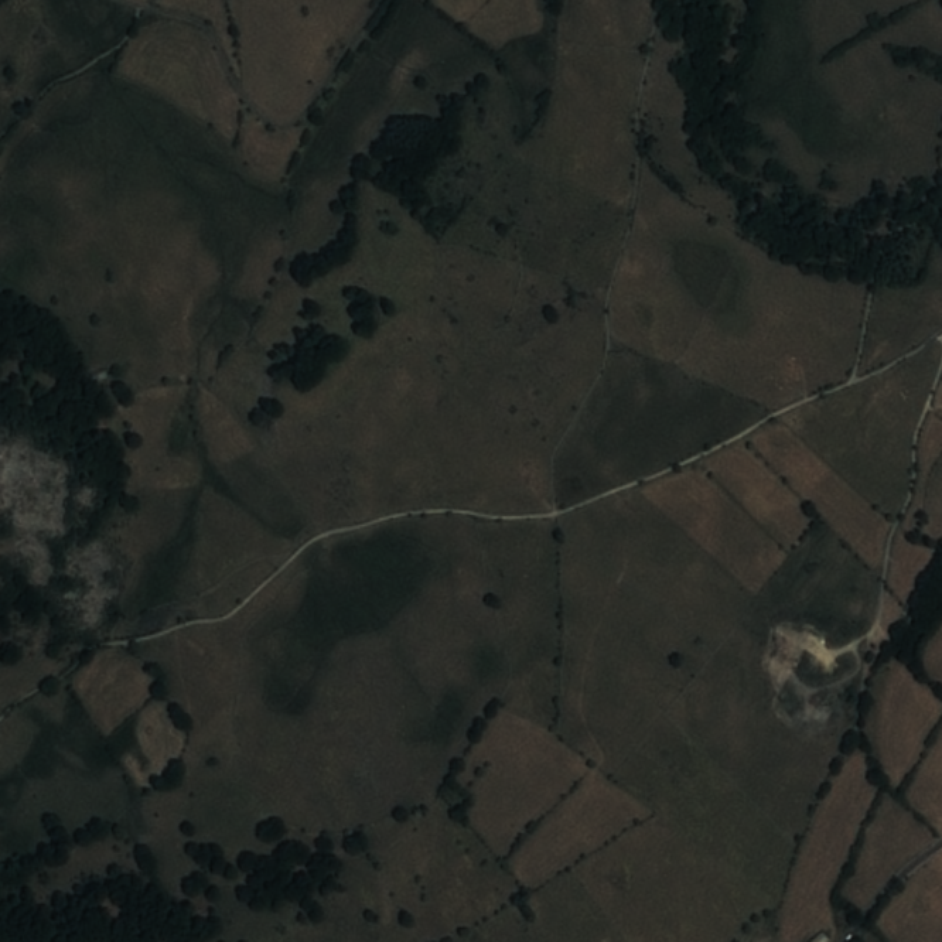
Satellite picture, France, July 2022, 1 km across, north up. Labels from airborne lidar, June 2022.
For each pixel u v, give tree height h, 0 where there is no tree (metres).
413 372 0
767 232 20
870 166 0
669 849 0
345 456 0
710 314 0
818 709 0
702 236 0
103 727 0
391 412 0
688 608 0
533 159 0
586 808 0
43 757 0
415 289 0
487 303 0
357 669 0
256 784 0
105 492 7
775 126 0
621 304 0
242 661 0
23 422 9
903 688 0
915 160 0
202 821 0
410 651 0
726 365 0
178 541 0
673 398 0
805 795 0
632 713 0
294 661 0
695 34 20
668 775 0
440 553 0
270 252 0
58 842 16
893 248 13
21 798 0
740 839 0
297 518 0
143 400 0
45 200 0
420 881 7
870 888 0
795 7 0
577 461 0
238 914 0
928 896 0
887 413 0
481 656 0
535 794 0
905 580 0
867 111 0
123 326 0
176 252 0
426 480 0
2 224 0
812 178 0
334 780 0
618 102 0
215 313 0
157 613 0
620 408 0
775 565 0
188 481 0
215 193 0
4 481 0
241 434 0
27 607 15
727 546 0
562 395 0
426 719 0
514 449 0
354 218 13
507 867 8
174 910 17
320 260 18
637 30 0
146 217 0
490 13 0
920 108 0
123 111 0
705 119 18
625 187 0
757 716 0
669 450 0
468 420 0
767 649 0
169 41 0
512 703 0
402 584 0
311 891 17
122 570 0
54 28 0
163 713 0
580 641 0
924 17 0
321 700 0
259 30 0
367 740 0
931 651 0
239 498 0
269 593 0
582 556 0
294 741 0
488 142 0
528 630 0
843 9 0
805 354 0
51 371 17
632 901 0
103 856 0
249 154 0
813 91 0
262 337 0
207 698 0
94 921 19
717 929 0
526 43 0
